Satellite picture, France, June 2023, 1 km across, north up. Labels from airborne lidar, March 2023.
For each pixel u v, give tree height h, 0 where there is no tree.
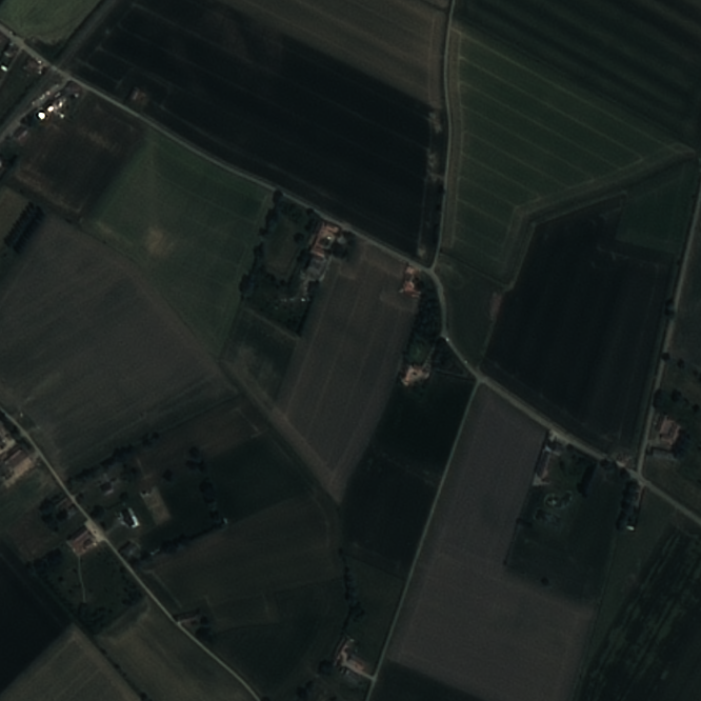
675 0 0
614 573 0
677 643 0
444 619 0
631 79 0
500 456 0
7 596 0
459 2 0
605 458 0
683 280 0
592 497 0
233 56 0
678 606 0
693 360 0
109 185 0
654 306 0
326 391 0
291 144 0
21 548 0
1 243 0
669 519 0
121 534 0
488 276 0
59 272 0
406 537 0
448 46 0
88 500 0
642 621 0
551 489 0
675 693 0
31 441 0
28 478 0
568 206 0
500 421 0
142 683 0
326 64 0
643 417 0
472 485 0
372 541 0
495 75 0
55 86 0
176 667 0
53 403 0
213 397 0
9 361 0
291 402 0
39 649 0
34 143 0
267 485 0
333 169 0
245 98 0
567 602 0
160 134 0
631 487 13
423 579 0
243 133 0
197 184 0
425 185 0
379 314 0
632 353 0
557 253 0
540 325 0
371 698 0
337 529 0
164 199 0
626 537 0
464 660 0
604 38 0
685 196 0
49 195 0
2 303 0
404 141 0
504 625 0
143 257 0
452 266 0
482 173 0
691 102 0
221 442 0
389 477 0
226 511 0
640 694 0
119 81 0
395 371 0
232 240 0
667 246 0
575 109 0
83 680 0
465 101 0
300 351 0
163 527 0
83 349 0
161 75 0
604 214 0
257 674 0
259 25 0
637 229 0
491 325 0
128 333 0
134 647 0
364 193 0
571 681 0
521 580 0
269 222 13
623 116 0
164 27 0
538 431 0
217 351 0
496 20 0
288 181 0
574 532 0
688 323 0
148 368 0
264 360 0
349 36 0
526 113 0
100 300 0
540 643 0
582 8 0
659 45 0
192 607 0
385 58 0
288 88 0
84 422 0
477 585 0
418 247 0
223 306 0
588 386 0
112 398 0
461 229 0
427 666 0
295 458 0
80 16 0
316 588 0
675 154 0
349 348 0
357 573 0
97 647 0
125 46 0
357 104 0
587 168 0
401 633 0
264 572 0
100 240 0
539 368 0
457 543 0
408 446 0
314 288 8
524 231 0
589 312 0
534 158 0
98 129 0
